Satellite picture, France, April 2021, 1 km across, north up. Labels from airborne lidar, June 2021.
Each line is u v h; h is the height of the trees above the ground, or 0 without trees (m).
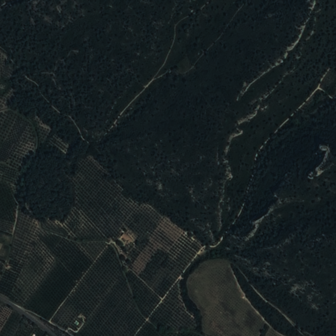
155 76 0
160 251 6
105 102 7
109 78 9
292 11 6
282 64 6
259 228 6
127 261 13
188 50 5
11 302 0
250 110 8
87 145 18
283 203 6
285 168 5
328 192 13
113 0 12
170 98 0
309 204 0
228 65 0
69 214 14
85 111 6
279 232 8
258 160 14
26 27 10
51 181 14
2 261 11
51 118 6
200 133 10
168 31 7
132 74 7
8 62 13
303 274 8
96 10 8
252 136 14
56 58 7
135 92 12
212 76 0
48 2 9
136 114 14
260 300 6
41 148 8
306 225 7
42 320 12
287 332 7
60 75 9
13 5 10
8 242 0
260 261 11
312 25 13
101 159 17
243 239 7
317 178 14
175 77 11
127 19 6
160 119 0
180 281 6
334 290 0
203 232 6
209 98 0
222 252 6
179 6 13
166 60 0
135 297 10
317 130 6
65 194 15
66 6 9
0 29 10
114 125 10
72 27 9
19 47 9
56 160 19
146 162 7
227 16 8
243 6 0
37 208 17
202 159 6
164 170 6
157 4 6
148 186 6
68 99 12
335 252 7
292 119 21
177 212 8
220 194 7
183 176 9
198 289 0
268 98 6
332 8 7
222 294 0
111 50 7
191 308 12
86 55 7
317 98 12
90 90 10
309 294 0
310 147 8
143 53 6
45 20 0
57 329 12
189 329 10
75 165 8
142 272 7
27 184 19
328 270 0
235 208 14
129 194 8
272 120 17
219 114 6
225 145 0
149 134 8
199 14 12
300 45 15
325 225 9
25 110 18
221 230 6
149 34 9
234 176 6
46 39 9
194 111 8
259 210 7
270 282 11
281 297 6
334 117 6
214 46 0
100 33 9
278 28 9
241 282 8
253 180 18
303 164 7
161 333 13
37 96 12
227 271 0
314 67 12
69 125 10
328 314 15
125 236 0
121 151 8
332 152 6
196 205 8
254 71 7
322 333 8
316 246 9
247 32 0
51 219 15
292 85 13
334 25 18
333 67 19
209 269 0
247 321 0
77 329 6
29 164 16
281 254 9
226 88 6
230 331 0
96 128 9
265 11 6
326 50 16
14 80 14
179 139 8
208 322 0
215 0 0
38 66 8
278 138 18
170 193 7
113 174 18
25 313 0
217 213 0
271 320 5
